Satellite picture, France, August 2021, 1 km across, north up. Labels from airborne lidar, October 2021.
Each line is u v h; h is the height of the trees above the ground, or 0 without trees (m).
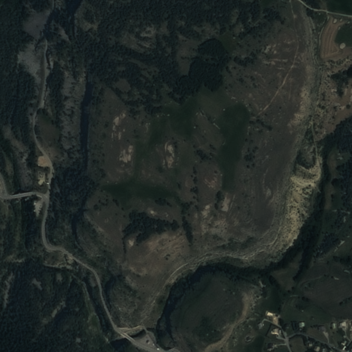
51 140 0
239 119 0
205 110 0
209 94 0
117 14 14
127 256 0
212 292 0
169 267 0
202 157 10
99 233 0
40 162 0
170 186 0
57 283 9
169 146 0
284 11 0
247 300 0
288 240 0
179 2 6
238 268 6
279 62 0
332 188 0
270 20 6
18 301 10
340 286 0
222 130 0
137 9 14
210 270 10
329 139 12
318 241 0
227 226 0
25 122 8
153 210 0
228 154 0
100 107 0
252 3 9
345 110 0
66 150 6
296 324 11
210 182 0
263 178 0
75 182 10
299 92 0
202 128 0
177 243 0
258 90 0
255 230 0
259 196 0
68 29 18
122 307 0
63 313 11
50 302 10
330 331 0
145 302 0
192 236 8
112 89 7
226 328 0
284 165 0
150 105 13
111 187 0
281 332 10
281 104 0
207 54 14
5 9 7
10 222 9
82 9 0
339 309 0
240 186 0
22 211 13
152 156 0
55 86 6
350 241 0
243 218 0
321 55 0
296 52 0
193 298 0
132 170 0
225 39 0
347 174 16
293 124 0
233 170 0
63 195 11
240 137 0
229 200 0
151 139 0
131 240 0
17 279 7
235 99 0
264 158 0
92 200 0
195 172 7
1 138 10
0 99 6
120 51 7
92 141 0
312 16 7
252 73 0
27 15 14
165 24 0
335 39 0
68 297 8
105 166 0
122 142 0
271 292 0
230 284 0
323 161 6
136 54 12
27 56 0
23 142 8
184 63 0
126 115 0
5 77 8
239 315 0
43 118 0
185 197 0
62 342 7
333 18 0
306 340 11
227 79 0
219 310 0
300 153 7
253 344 0
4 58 8
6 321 16
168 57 9
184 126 0
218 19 11
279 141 0
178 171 0
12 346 15
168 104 0
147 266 0
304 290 0
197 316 0
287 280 0
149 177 0
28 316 11
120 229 0
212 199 0
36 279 9
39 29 0
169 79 11
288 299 0
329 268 0
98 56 7
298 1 0
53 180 12
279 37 0
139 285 0
